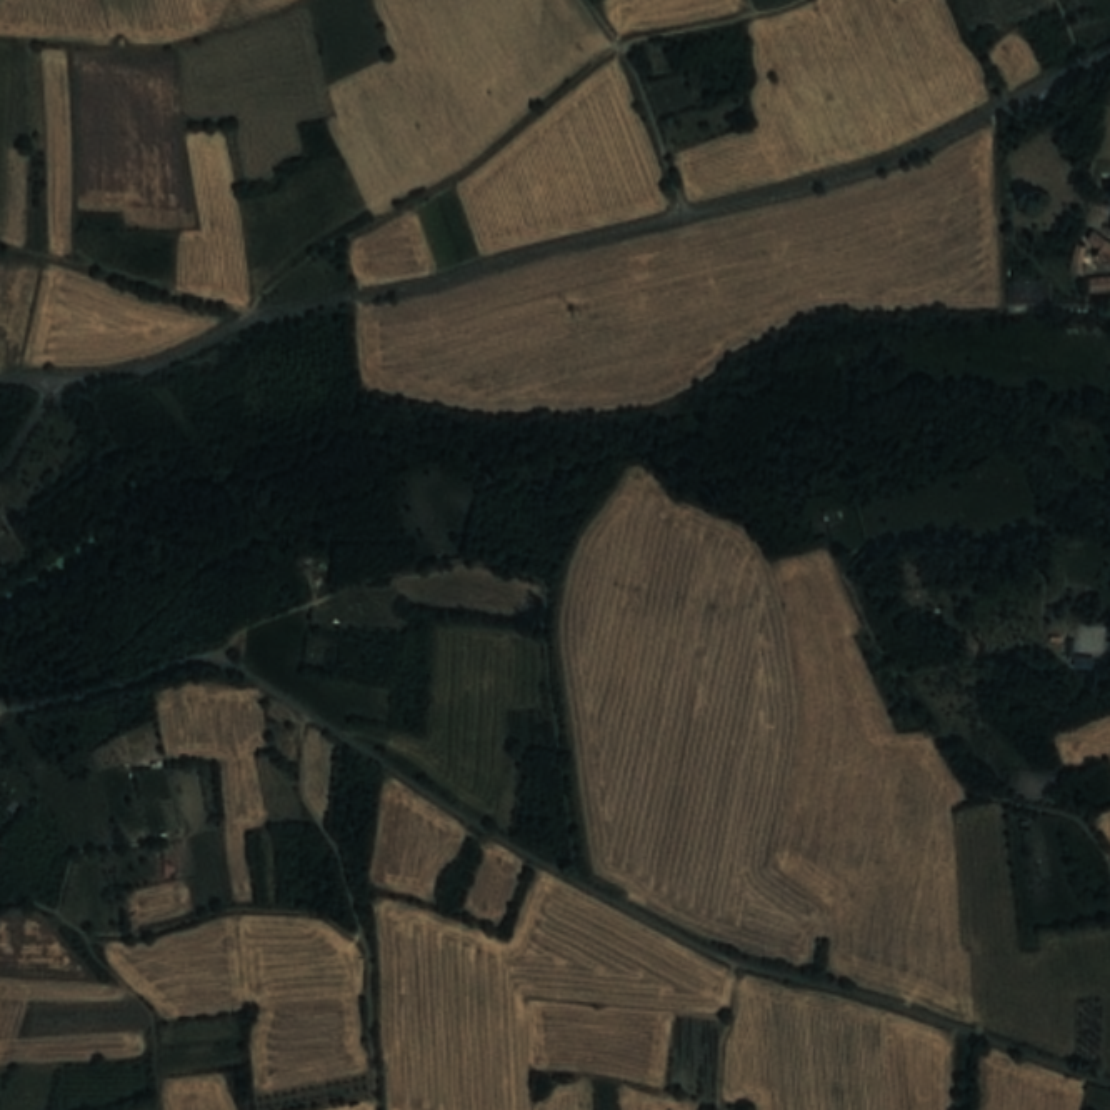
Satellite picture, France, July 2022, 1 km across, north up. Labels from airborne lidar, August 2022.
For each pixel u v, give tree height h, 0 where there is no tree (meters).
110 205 0
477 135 0
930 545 26
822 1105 0
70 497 12
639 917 0
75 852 12
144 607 14
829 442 18
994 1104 0
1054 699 21
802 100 0
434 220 0
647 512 0
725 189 0
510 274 0
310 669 9
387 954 0
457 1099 0
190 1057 0
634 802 0
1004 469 0
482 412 10
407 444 18
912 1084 0
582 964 0
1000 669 18
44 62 0
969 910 0
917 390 20
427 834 0
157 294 9
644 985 0
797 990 0
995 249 0
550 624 9
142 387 9
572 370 0
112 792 0
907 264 0
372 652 8
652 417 14
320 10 0
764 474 22
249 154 0
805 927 0
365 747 0
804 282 0
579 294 0
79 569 21
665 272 0
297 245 0
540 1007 0
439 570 9
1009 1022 0
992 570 24
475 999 0
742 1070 0
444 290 0
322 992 0
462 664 0
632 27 0
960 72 0
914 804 0
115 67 0
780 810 0
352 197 0
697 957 0
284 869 6
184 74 0
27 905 15
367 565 12
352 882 11
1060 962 0
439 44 0
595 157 0
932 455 14
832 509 0
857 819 0
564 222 0
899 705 9
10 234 0
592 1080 0
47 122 0
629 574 0
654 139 0
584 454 18
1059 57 8
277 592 7
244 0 0
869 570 15
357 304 0
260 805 0
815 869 0
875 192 0
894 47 0
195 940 0
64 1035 0
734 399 20
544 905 0
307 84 0
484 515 5
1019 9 0
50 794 0
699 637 0
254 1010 11
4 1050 0
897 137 0
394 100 0
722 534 0
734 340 0
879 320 17
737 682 0
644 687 0
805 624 0
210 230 0
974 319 11
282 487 25
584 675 0
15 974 0
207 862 0
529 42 0
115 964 0
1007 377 0
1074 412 20
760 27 0
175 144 0
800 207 0
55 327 0
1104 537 15
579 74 0
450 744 0
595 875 0
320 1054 0
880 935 0
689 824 0
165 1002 0
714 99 10
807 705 0
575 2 0
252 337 10
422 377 0
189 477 32
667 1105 0
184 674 11
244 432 13
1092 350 0
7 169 0
